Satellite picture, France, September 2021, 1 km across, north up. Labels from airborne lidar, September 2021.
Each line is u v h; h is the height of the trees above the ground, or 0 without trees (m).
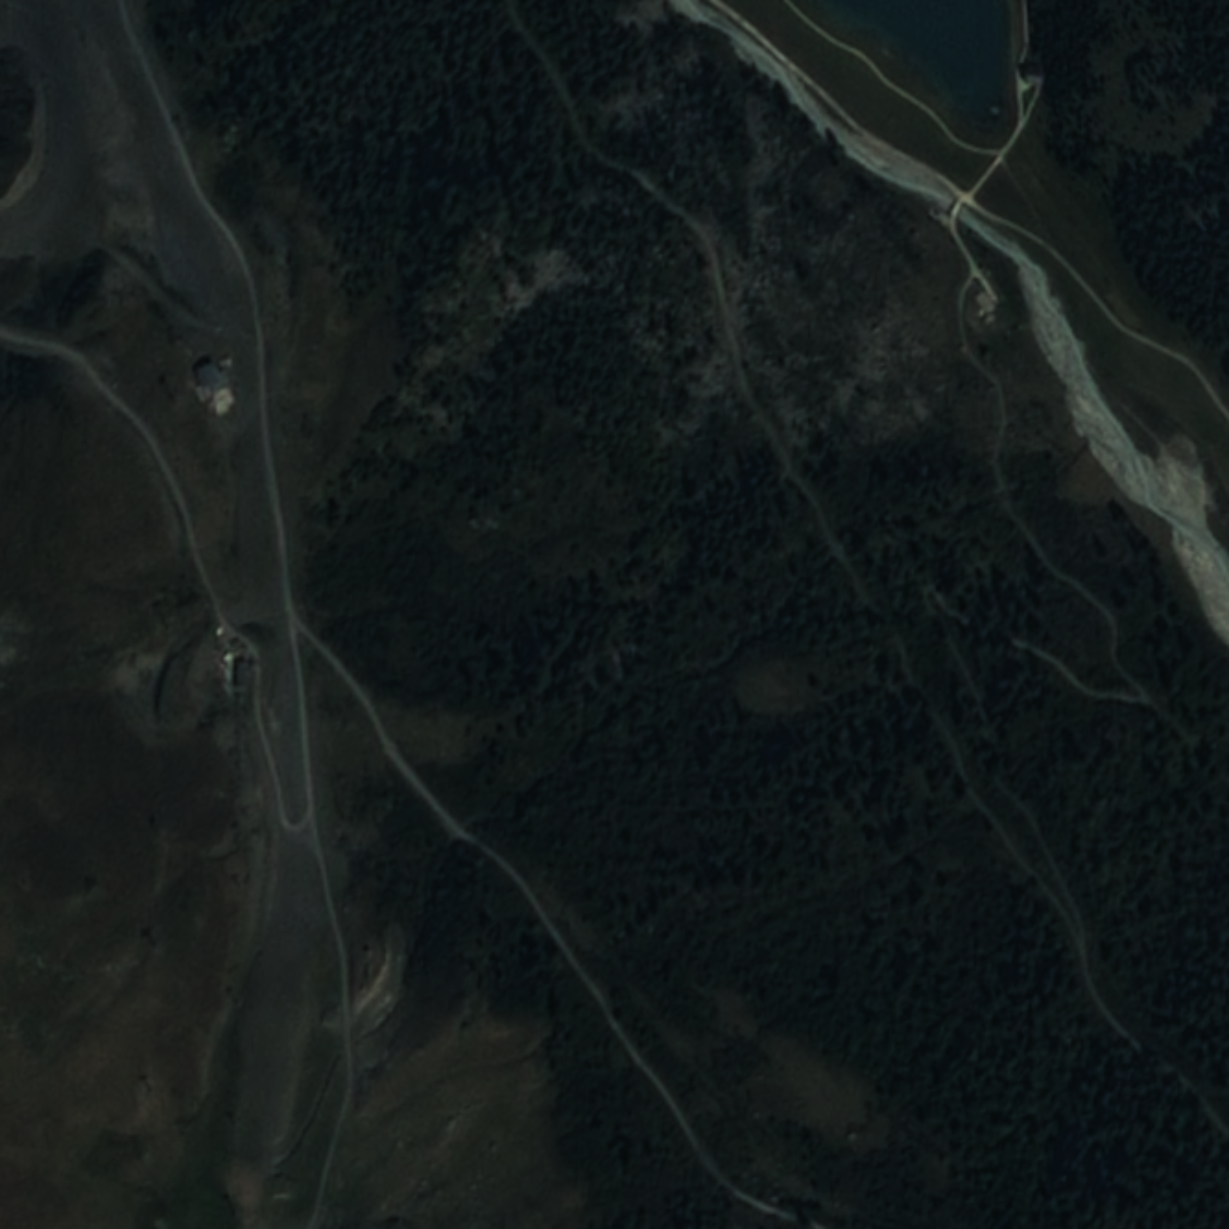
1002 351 0
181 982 0
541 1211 0
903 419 0
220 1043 0
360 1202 0
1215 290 10
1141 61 9
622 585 13
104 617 0
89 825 0
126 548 0
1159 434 0
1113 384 0
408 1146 0
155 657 0
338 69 14
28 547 0
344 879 0
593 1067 7
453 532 0
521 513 0
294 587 0
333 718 0
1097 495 0
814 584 7
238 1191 0
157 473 0
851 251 0
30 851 0
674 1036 0
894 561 9
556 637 11
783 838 8
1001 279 0
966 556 9
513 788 6
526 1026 0
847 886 6
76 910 0
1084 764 20
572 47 7
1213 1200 7
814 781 12
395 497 9
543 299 11
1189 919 8
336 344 0
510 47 14
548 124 16
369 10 14
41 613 0
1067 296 0
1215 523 0
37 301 0
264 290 0
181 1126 0
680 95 7
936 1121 7
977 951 7
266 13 15
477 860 8
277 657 0
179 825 0
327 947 0
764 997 13
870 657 10
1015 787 7
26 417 0
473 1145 0
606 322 10
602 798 7
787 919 6
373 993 0
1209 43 13
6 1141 0
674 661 6
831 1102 0
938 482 14
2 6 0
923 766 18
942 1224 0
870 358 0
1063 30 9
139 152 0
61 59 0
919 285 0
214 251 0
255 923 0
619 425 11
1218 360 0
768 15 0
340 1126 0
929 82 0
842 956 7
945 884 10
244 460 0
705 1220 6
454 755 0
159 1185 0
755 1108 0
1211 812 19
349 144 7
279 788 0
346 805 0
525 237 21
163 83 0
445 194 25
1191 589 0
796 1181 0
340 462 0
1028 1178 8
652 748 10
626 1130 5
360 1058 0
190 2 0
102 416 0
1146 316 0
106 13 0
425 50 13
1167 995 14
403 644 0
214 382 0
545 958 11
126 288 0
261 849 0
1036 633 21
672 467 7
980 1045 6
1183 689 6
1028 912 8
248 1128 0
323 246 0
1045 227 0
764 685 0
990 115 0
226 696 0
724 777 5
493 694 6
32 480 0
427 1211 0
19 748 0
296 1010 0
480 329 0
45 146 0
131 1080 0
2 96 0
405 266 5
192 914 0
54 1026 0
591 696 19
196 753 0
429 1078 0
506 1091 0
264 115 14
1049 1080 7
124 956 0
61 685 0
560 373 13
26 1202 0
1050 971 16
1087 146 12
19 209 0
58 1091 0
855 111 0
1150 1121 15
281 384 0
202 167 0
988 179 0
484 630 5
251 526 0
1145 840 7
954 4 0
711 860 16
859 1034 7
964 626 7
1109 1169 8
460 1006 0
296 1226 0
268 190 0
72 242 0
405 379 14
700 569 14
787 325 0
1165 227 20
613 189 8
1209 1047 9
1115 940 11
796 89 0
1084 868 9
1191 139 0
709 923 8
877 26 0
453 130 15
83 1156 0
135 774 0
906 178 0
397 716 0
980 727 16
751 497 18
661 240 7
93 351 0
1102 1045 7
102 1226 0
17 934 0
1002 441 0
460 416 11
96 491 0
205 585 0
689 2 0
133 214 0
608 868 10
